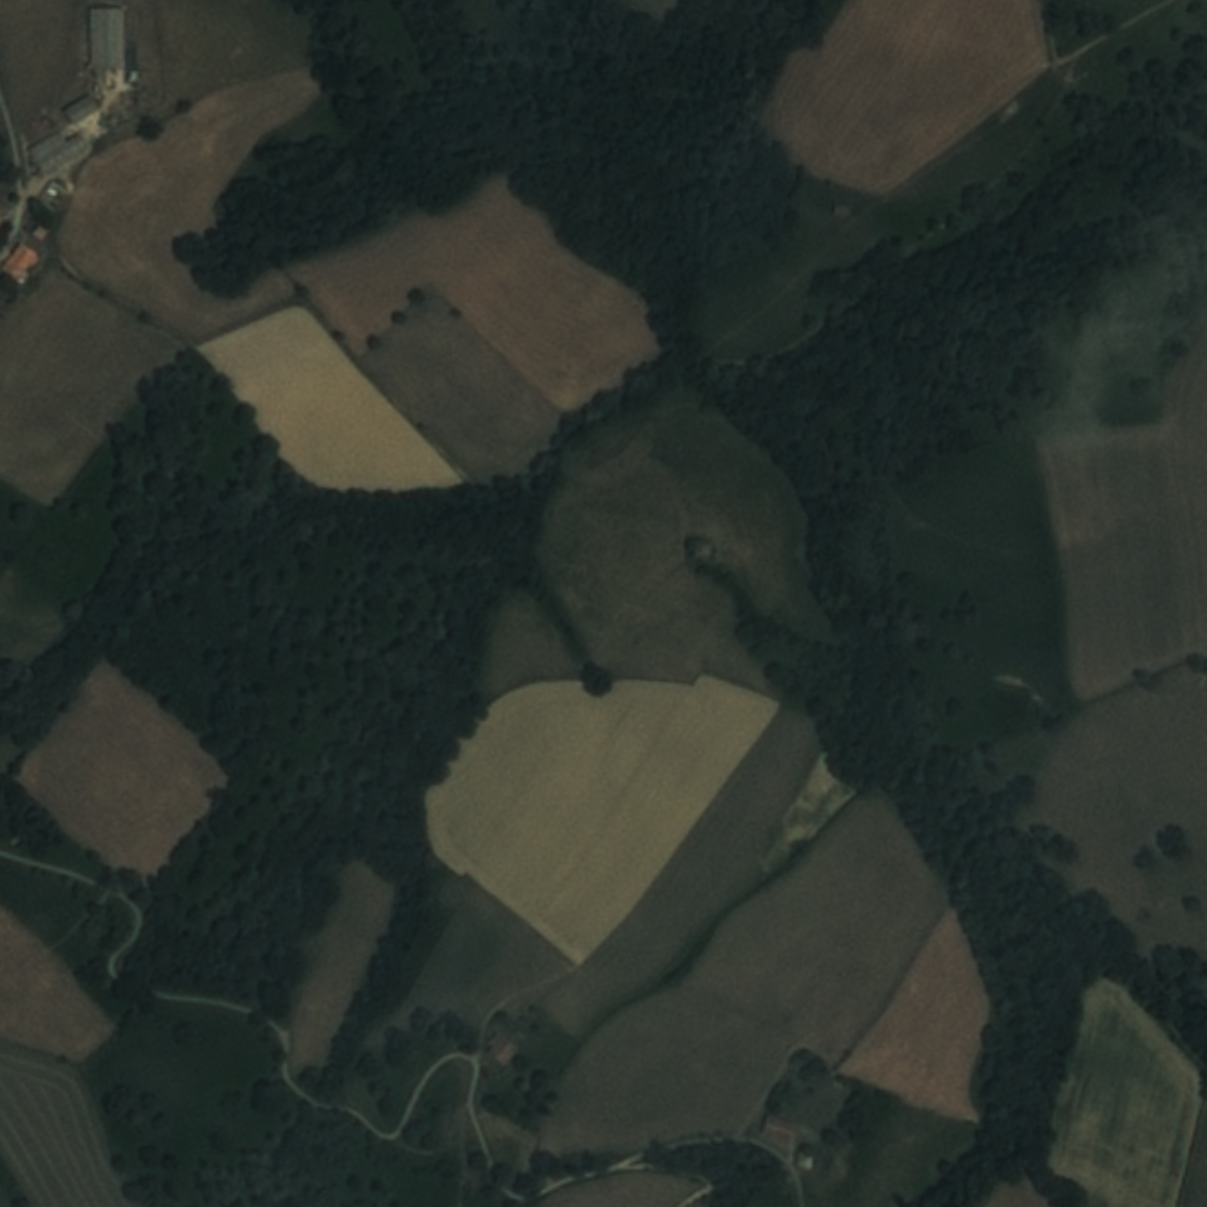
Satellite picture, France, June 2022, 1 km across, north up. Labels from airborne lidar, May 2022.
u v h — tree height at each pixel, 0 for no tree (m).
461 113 29
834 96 0
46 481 0
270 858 9
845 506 19
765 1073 0
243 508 22
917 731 22
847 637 17
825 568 21
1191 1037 16
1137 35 0
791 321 0
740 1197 19
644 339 0
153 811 0
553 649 0
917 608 0
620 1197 0
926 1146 0
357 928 0
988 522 0
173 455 16
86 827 0
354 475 0
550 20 9
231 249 16
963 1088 0
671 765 0
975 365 18
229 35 0
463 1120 0
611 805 0
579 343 0
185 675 0
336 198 23
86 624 11
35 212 9
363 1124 9
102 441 0
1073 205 20
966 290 17
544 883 0
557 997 0
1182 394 0
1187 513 0
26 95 0
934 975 0
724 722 0
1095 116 15
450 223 0
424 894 22
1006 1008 18
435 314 0
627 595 0
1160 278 0
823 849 0
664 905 0
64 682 18
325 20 19
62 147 0
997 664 0
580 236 15
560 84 15
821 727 11
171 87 0
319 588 0
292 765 13
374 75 17
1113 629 0
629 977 0
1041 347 15
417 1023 12
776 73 8
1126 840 0
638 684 0
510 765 0
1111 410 0
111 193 0
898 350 26
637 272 19
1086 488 0
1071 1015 22
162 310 0
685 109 21
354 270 0
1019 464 0
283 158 16
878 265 23
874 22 0
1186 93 17
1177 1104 0
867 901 0
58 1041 0
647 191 19
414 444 0
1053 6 15
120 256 0
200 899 0
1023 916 19
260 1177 18
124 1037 7
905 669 8
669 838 0
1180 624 0
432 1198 0
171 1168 15
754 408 18
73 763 0
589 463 0
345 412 0
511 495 13
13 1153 0
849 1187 0
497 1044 0
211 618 0
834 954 0
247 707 20
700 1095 0
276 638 9
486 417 0
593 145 29
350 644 12
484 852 0
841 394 21
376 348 8
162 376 18
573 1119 0
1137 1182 0
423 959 0
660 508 0
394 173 29
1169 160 12
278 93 0
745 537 0
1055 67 0
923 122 0
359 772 16
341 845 23
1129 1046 0
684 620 0
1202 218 22
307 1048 0
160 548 12
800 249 0
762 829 0
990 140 0
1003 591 0
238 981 15
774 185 20
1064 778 0
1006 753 0
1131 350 0
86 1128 0
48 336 0
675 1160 19
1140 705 0
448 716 28
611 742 0
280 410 0
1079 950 25
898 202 0
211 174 0
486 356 0
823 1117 0
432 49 12
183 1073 0
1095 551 0
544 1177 12
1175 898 0
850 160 0
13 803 12
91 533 0
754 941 0
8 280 10
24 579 0
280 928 22
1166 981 18
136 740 0
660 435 0
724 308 0
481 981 0
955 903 15
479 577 20
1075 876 0
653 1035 0
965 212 14
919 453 16
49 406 0
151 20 0
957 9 0
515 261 0
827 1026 0
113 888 18
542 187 25
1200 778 0
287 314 0
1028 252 17
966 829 25
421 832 21
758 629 15
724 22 22
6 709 17
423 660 18
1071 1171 0
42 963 0
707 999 0
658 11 0
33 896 0
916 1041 0
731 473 0
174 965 9
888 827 0
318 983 0
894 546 0
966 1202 16
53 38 0
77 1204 0
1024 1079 24
